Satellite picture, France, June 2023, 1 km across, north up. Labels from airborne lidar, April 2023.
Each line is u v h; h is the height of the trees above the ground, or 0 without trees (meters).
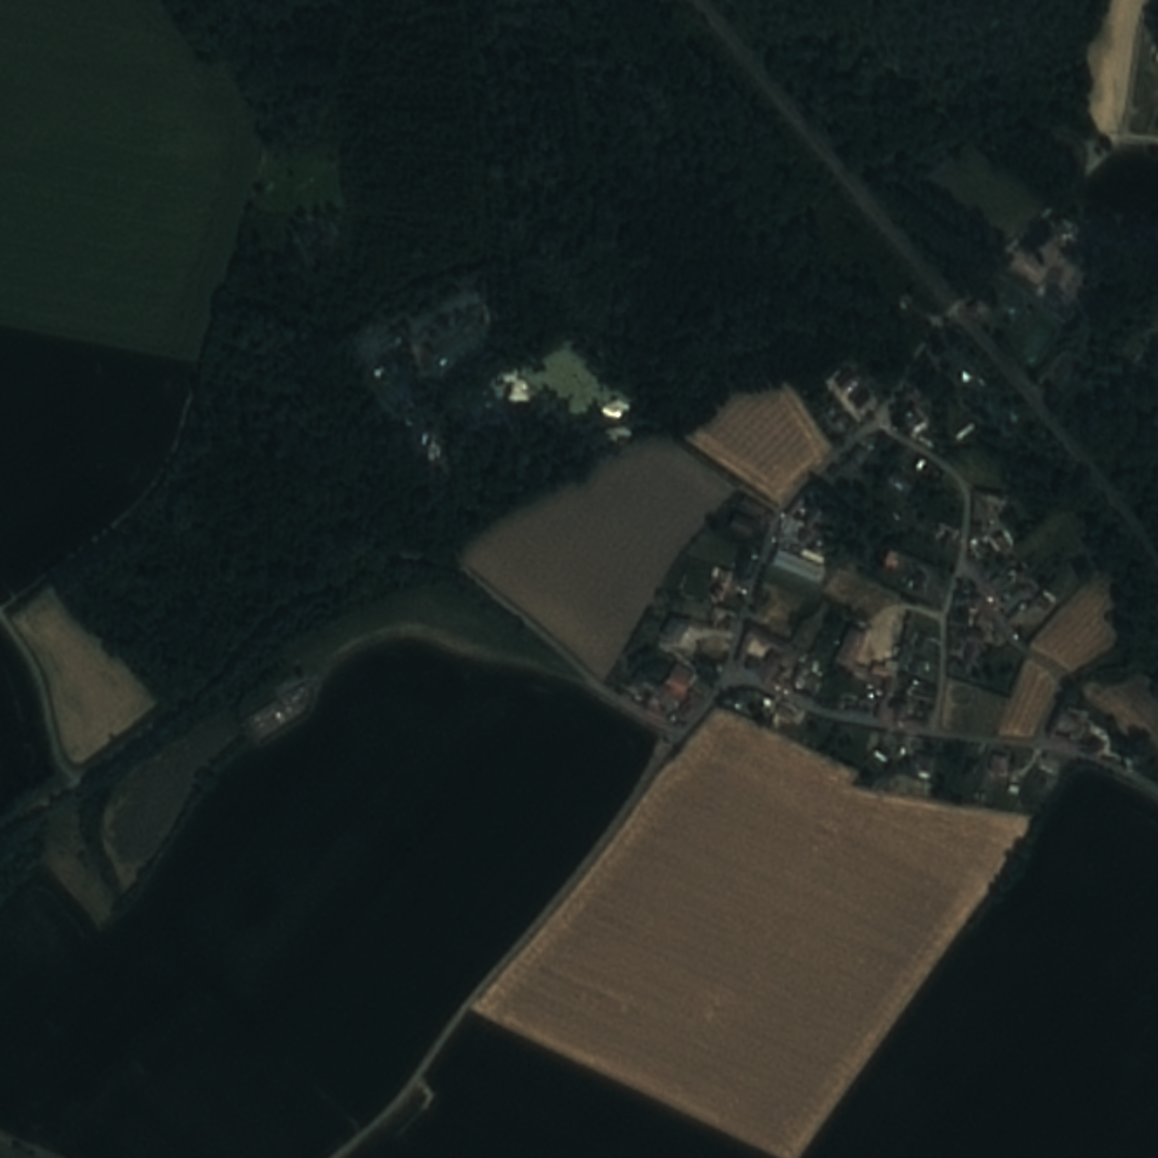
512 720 0
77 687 0
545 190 7
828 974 0
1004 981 0
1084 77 20
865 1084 0
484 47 7
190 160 0
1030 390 0
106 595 30
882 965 0
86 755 0
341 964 0
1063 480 18
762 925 0
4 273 0
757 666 0
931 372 13
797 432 0
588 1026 0
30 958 0
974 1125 0
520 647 0
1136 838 0
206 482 10
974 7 15
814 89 23
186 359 0
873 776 9
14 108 0
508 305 19
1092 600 0
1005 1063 0
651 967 0
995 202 0
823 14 14
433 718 0
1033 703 0
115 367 0
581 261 15
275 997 0
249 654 11
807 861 0
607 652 0
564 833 0
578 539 0
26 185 0
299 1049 0
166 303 0
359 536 26
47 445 0
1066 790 0
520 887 0
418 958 0
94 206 0
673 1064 0
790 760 0
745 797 0
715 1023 0
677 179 29
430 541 19
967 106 16
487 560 0
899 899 0
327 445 20
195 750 0
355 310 8
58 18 0
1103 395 27
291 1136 0
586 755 0
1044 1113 0
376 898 0
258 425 26
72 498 0
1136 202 0
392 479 26
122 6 0
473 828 0
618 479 0
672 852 0
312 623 10
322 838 0
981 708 0
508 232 20
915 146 13
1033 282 0
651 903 0
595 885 0
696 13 7
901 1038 0
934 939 0
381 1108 0
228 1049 0
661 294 21
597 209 16
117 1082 0
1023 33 11
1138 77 0
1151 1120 0
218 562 9
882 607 0
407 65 9
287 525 19
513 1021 0
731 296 27
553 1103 0
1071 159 29
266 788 0
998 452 18
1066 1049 0
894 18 6
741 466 0
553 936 0
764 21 7
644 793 0
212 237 0
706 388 28
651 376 30
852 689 0
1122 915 0
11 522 0
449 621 0
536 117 21
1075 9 17
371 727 0
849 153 25
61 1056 0
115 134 0
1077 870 0
